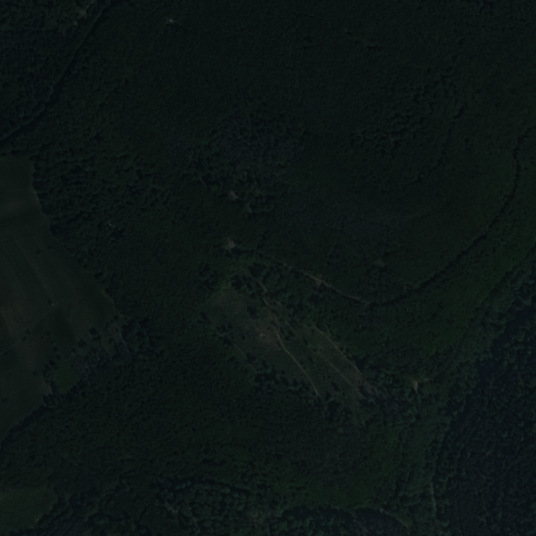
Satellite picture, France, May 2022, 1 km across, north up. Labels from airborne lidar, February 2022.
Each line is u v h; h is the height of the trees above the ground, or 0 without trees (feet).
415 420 73
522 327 88
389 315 64
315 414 65
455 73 75
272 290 70
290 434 58
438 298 67
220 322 0
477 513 39
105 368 68
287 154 89
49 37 42
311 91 50
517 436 122
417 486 74
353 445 56
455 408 101
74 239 110
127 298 64
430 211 75
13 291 0
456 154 70
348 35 43
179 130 68
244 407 67
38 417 73
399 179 74
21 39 51
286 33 63
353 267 67
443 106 78
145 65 65
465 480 100
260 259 81
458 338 76
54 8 119
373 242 70
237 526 70
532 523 92
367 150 57
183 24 54
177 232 95
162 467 90
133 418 74
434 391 0
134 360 73
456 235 75
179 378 72
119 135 101
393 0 65
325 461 69
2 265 0
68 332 0
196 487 127
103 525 72
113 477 67
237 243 86
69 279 0
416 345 58
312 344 0
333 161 58
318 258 69
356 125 58
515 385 111
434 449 80
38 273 0
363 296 64
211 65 75
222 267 81
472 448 38
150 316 89
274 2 50
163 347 79
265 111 64
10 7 94
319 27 57
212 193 73
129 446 80
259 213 57
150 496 33
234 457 90
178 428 74
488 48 65
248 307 0
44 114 70
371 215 56
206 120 67
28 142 77
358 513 0
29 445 86
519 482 36
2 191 0
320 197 51
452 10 67
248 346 0
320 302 77
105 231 89
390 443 52
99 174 99
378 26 53
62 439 91
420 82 49
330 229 75
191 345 53
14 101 53
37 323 0
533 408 51
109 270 80
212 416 65
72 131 87
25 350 0
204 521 114
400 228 66
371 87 56
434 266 64
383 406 87
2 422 0
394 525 107
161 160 71
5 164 0
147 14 68
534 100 84
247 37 59
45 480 69
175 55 63
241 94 58
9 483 64
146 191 93
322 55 47
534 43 70
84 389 73
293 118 88
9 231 0
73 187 100
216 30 49
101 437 85
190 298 70
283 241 77
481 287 69
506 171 69
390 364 62
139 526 119
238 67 62
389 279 67
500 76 74
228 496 118
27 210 0
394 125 45
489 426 44
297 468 80
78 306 0
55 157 97
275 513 115
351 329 61
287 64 36
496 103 101
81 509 97
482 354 84
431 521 80
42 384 0
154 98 79
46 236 0
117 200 93
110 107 97
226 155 83
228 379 62
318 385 0
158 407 78
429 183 74
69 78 80
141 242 72
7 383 0
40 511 0
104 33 74
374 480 64
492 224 85
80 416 84
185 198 91
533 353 22
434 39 63
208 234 81
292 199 64
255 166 81
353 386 0
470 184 82
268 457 88
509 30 63
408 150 69
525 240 75
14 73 57
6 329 0
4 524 0
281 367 0
